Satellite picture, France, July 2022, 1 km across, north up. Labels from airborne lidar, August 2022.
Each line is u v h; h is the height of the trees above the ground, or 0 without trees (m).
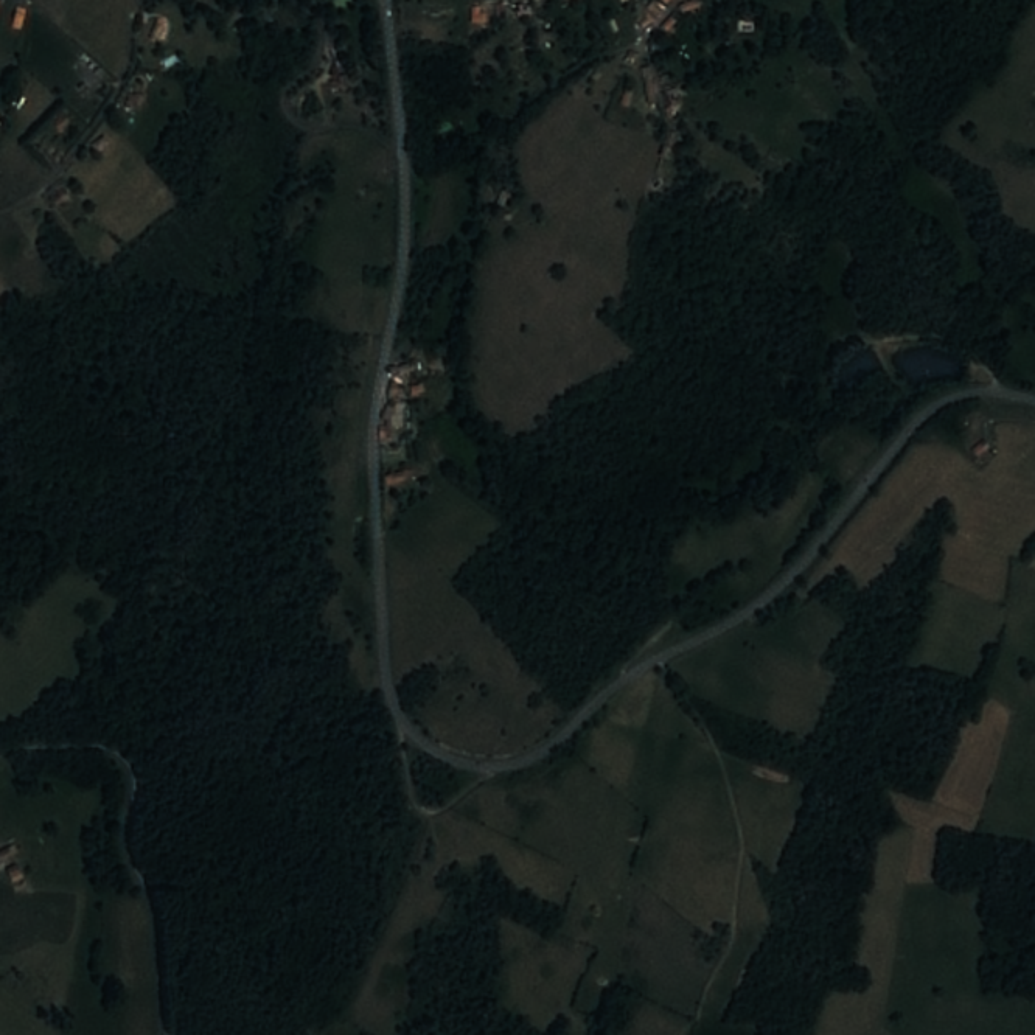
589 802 0
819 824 16
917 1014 0
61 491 24
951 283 6
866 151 15
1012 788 0
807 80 0
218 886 12
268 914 6
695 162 12
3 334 12
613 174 0
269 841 13
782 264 13
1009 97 0
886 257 13
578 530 19
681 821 0
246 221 0
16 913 0
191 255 0
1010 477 0
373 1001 0
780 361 25
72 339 11
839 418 16
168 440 24
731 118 0
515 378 0
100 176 0
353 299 0
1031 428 0
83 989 0
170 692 23
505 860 0
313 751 16
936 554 16
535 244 0
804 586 15
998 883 19
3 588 16
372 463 0
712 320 18
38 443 16
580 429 7
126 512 22
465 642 0
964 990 0
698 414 10
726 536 0
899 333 9
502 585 12
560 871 0
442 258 19
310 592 12
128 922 0
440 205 0
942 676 17
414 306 12
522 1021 15
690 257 14
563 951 0
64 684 15
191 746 17
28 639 0
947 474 0
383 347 0
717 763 0
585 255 0
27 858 0
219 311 22
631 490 11
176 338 22
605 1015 18
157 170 8
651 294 9
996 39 14
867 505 0
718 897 0
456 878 11
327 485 12
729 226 11
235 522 27
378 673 0
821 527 14
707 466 21
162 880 13
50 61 0
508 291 0
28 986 0
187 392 27
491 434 24
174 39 0
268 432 23
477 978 10
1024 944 7
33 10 0
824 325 7
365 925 16
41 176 0
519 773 7
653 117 8
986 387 0
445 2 0
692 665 0
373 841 11
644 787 0
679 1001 0
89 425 16
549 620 8
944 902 0
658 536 14
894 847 0
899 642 17
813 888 16
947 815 0
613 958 0
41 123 12
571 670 8
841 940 16
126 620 17
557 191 0
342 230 0
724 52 18
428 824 0
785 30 13
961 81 19
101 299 14
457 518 0
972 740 0
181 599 14
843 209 10
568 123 0
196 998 19
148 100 0
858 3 21
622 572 6
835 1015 0
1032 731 0
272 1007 10
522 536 16
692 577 0
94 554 10
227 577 26
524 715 0
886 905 0
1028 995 16
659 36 18
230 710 21
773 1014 15
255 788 17
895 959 0
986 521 0
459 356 18
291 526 14
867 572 0
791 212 13
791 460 18
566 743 8
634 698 0
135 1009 0
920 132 18
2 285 0
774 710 0
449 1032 19
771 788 0
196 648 18
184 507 14
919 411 10
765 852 0
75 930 0
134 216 0
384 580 0
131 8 0
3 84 14
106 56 0
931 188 0
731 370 20
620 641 16
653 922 0
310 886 20
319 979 11
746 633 0
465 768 0
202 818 18
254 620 22
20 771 22
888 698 23
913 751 24
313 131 0
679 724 0
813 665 0
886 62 15
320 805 16
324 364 9
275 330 22
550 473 20
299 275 17
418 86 14
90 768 17
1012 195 0
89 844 20
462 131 14
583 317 0
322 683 15
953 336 17
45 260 15
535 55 16
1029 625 0
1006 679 0
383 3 0
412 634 0
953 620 0
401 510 6
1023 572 0
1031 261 17
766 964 13
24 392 12
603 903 0
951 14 16
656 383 15
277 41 19
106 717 21
